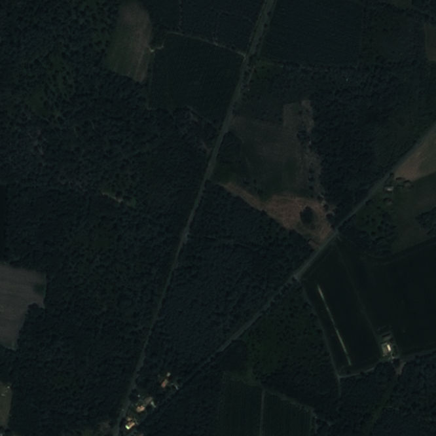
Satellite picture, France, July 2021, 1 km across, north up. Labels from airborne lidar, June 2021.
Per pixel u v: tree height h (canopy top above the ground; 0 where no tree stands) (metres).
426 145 0
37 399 15
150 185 14
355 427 11
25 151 17
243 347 11
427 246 0
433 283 0
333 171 24
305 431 6
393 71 11
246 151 0
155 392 15
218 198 8
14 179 17
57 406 13
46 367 17
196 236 17
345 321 0
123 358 12
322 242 0
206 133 17
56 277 15
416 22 8
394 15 9
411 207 0
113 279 11
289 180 0
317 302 0
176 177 8
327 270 0
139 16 0
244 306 30
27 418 11
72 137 22
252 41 5
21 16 8
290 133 0
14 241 20
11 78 22
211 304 17
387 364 14
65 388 13
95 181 10
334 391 7
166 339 19
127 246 22
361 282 0
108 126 17
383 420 9
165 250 13
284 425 7
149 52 0
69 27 9
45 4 7
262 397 8
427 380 23
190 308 20
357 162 22
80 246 7
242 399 6
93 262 17
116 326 19
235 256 18
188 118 16
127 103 19
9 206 15
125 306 27
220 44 8
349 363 0
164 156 11
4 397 0
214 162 0
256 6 13
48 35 26
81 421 27
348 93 16
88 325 6
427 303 0
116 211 8
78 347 24
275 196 17
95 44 8
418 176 0
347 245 0
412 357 0
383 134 8
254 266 16
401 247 0
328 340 0
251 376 0
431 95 7
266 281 24
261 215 15
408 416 9
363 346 0
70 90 13
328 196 14
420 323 0
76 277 12
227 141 8
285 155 0
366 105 23
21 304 0
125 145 26
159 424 21
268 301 21
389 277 0
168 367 16
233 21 11
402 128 0
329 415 10
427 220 7
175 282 16
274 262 21
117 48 0
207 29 13
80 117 20
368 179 12
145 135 16
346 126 18
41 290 0
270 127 0
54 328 24
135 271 13
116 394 22
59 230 22
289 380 8
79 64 23
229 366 12
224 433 6
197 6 12
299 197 20
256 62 12
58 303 22
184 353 18
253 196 19
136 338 11
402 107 10
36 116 14
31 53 26
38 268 13
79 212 10
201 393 22
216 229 14
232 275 16
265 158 0
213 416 19
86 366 23
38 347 18
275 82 14
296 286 13
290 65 22
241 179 0
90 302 12
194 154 17
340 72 17
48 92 22
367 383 12
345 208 22
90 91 8
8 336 0
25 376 23
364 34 9
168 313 19
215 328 21
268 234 9
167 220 21
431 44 0
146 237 16
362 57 13
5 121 12
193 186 13
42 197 23
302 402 11
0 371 10
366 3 9
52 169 15
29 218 24
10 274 0
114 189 14
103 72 21
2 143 14
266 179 0
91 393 13
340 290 0
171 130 16
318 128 8
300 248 17
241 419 6
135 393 14
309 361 7
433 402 8
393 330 0
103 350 14
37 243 21
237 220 17
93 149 15
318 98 16
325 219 17
